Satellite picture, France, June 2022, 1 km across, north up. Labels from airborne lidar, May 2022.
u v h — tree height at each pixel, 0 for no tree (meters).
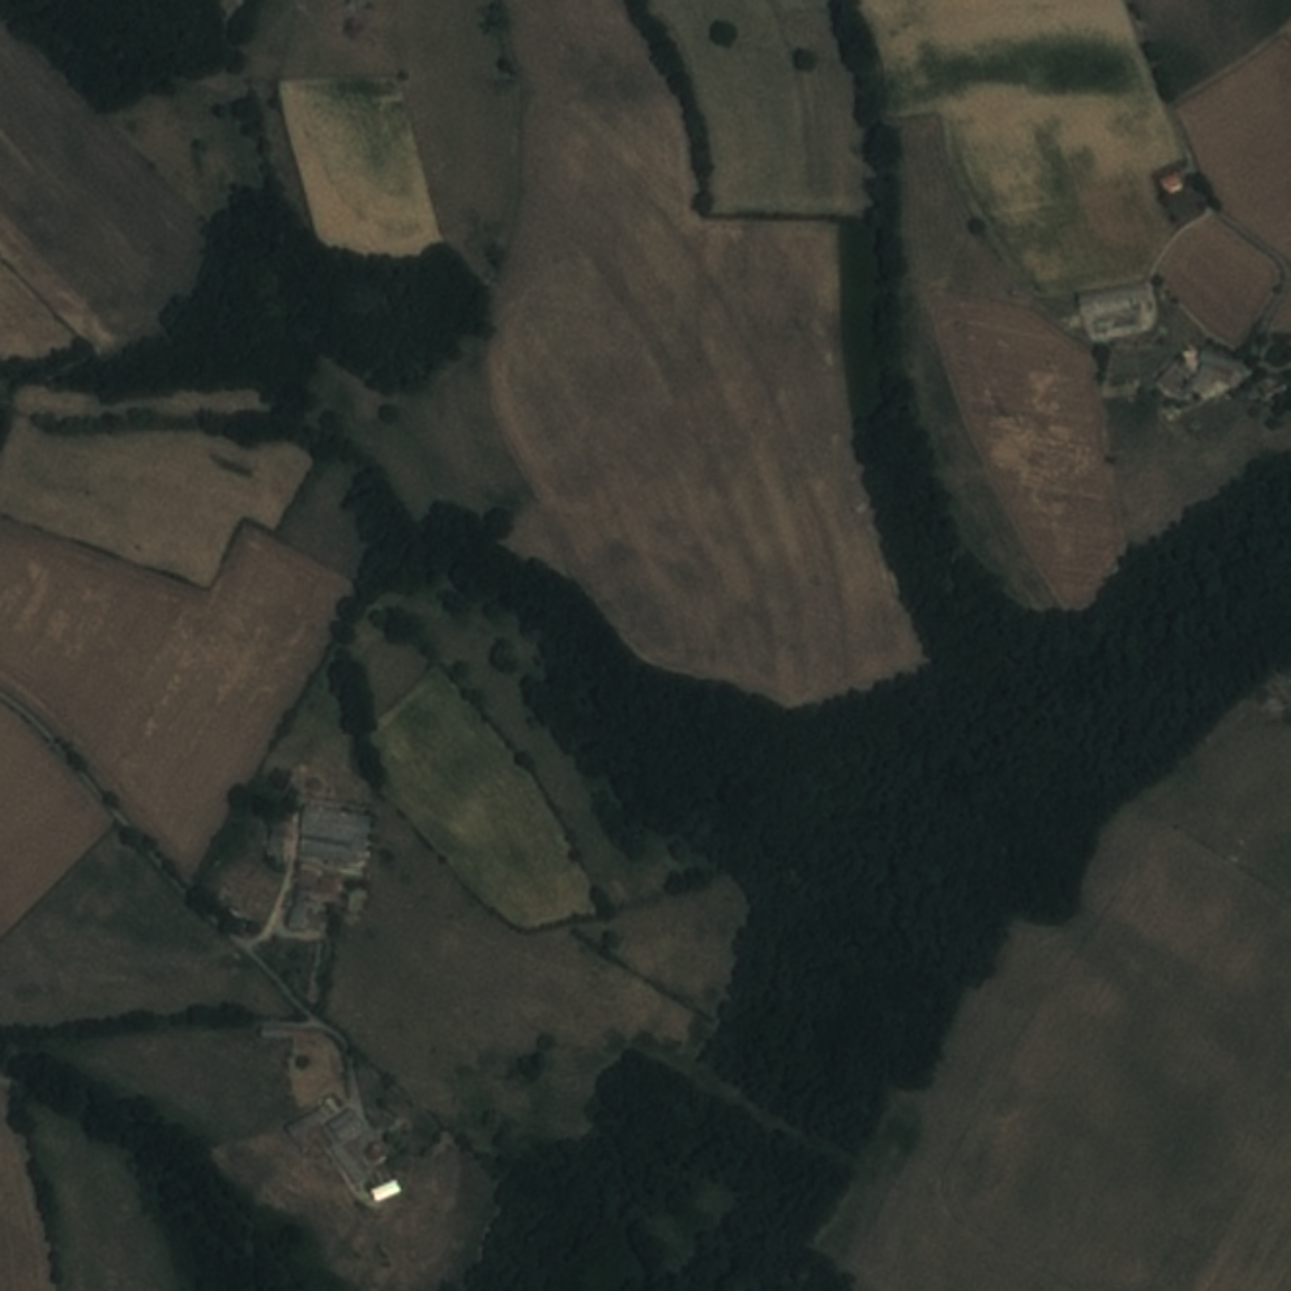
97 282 0
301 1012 7
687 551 0
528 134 0
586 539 0
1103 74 0
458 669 9
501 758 0
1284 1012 0
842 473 0
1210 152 0
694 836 22
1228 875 0
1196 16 0
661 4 0
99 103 9
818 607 0
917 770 22
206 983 0
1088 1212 0
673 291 0
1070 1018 0
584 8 0
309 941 0
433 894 0
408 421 0
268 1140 0
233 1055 0
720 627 0
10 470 0
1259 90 0
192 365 19
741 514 0
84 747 0
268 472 0
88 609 0
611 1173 17
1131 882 0
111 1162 0
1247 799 0
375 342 11
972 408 0
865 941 26
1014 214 0
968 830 18
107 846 0
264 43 0
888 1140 0
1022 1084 0
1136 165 0
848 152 0
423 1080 0
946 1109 0
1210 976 0
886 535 12
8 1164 0
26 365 11
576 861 10
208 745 0
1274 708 0
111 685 0
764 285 0
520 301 0
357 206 0
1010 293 0
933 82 0
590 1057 0
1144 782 17
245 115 18
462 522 20
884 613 0
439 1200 0
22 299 0
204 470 0
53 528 0
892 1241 0
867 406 0
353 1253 0
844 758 17
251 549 0
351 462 8
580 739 24
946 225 0
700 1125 15
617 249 0
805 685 0
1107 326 0
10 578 0
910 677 8
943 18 0
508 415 0
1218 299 0
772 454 0
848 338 0
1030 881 12
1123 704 19
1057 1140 0
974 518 0
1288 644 18
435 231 0
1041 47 0
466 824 0
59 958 0
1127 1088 0
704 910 0
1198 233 0
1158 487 0
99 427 8
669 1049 0
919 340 0
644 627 0
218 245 13
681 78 13
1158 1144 0
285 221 15
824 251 0
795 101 0
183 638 0
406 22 0
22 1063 15
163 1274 0
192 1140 16
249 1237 18
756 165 0
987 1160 0
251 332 14
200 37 9
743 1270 11
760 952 20
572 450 0
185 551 0
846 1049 13
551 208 0
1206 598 26
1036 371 0
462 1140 12
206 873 7
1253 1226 0
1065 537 0
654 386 0
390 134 0
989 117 0
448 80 0
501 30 29
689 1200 16
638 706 20
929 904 21
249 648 0
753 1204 10
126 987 0
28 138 0
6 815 0
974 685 14
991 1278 0
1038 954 0
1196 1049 0
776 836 21
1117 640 23
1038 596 0
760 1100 26
